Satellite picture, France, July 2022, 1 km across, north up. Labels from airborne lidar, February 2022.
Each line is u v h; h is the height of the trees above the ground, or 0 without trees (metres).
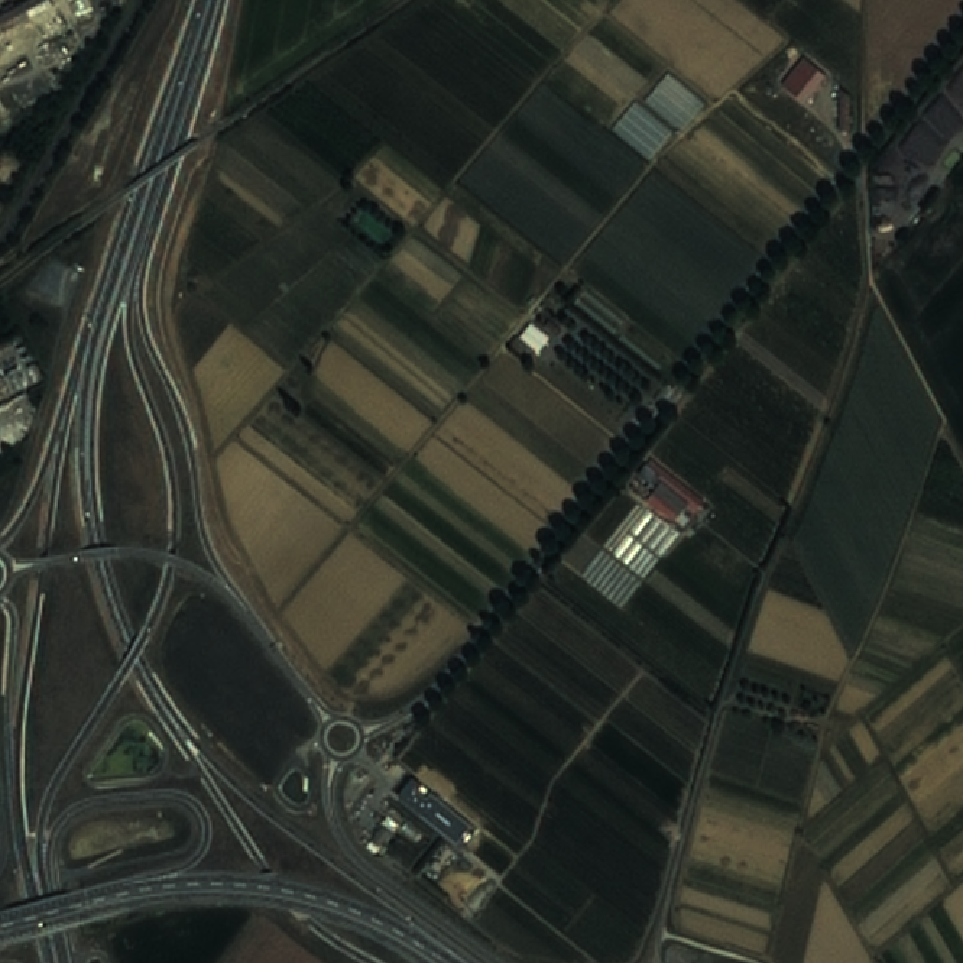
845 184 20
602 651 0
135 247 0
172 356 0
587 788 0
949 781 0
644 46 0
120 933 0
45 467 0
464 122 0
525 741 0
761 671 0
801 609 0
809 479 0
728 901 0
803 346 0
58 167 7
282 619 0
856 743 0
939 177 0
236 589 0
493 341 0
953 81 0
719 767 0
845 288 0
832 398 0
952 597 0
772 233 0
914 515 0
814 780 0
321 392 0
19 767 0
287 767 0
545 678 0
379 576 0
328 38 0
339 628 0
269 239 0
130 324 0
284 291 0
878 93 0
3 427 0
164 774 0
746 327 0
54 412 0
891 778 0
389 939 0
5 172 0
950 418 0
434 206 0
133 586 0
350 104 0
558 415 0
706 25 0
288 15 0
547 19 0
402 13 0
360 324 0
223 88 0
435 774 0
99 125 0
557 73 0
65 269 0
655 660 0
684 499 0
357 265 0
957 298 0
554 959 0
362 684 0
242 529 0
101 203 0
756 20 0
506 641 0
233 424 0
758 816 0
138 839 0
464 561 0
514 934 0
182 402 0
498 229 0
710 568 0
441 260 0
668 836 0
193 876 0
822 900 0
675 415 17
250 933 0
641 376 11
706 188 0
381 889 0
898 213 0
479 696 0
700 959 0
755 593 6
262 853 0
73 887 0
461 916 0
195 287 0
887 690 0
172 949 0
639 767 0
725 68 0
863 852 0
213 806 0
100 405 0
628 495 0
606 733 0
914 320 0
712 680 0
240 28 0
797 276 0
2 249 7
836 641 0
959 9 0
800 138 0
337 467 0
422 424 0
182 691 0
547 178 0
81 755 0
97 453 0
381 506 0
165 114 0
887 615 0
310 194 0
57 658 0
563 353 14
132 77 0
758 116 0
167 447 0
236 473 0
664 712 0
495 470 0
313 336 0
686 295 0
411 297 0
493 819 0
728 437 0
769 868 0
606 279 0
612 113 0
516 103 0
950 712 0
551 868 0
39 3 0
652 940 0
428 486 0
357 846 0
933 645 0
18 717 0
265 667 0
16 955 0
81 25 0
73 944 0
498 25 0
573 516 21
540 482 0
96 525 0
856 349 0
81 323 0
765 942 0
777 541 6
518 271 0
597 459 0
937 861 0
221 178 0
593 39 0
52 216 0
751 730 0
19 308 0
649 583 0
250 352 0
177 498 0
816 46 0
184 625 0
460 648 0
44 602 0
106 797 0
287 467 0
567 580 0
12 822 0
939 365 0
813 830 0
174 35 0
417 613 0
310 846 0
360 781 0
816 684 0
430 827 0
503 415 0
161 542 0
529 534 0
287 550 0
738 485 0
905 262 0
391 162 0
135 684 0
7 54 0
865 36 0
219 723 0
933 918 0
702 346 16
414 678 0
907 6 0
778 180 0
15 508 0
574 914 0
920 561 0
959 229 0
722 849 0
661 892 0
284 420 0
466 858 0
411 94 0
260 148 0
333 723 0
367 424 0
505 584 0
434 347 0
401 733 0
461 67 0
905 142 0
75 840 0
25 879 0
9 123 0
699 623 0
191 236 0
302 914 0
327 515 0
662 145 0
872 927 0
